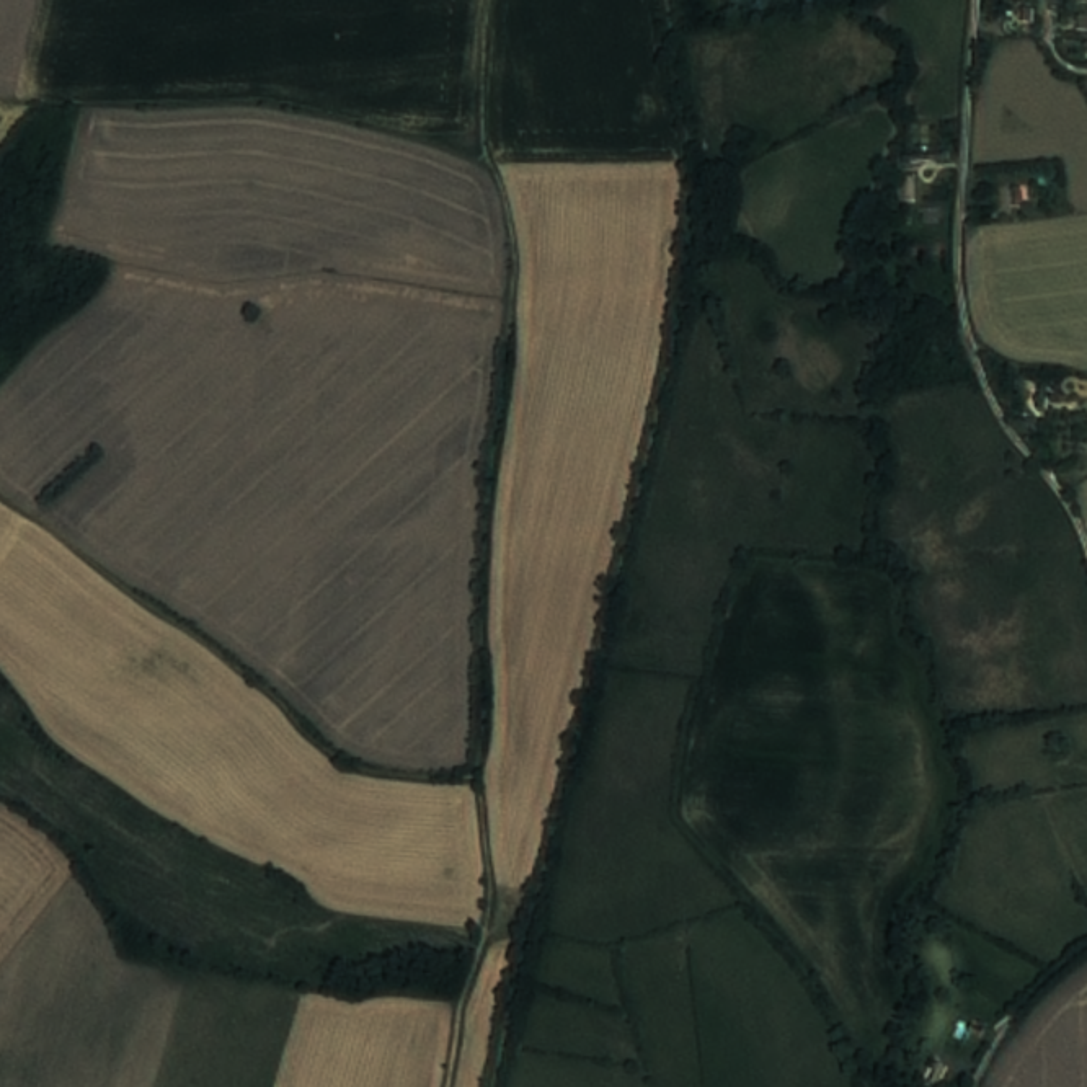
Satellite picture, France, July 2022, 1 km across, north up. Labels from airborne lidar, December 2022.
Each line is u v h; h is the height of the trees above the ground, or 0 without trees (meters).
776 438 0
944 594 0
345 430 0
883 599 0
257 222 0
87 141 0
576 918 0
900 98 26
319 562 0
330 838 0
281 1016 0
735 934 0
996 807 19
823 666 0
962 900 0
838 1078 0
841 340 0
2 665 0
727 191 27
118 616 0
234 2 0
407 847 0
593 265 0
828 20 0
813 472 0
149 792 0
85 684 0
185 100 0
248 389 0
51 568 0
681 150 6
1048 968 9
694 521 0
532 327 0
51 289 6
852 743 0
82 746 0
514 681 0
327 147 0
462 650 0
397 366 0
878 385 15
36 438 0
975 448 0
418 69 0
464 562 0
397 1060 0
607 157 0
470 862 0
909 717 0
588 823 0
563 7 0
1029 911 0
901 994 0
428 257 0
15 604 0
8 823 0
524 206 0
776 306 0
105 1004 0
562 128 0
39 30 0
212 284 0
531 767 0
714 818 0
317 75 0
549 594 0
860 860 0
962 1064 0
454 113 0
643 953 0
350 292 0
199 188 0
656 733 0
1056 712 6
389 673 0
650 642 0
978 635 0
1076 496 11
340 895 0
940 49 0
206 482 0
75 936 0
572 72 0
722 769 0
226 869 0
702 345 0
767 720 0
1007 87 0
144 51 0
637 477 9
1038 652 0
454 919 0
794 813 0
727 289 0
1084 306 0
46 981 0
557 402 0
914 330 8
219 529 0
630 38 0
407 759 0
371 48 0
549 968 0
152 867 0
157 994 0
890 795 0
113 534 0
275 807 0
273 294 0
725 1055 0
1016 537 0
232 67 0
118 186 0
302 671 0
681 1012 0
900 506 0
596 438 0
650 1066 0
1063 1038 0
